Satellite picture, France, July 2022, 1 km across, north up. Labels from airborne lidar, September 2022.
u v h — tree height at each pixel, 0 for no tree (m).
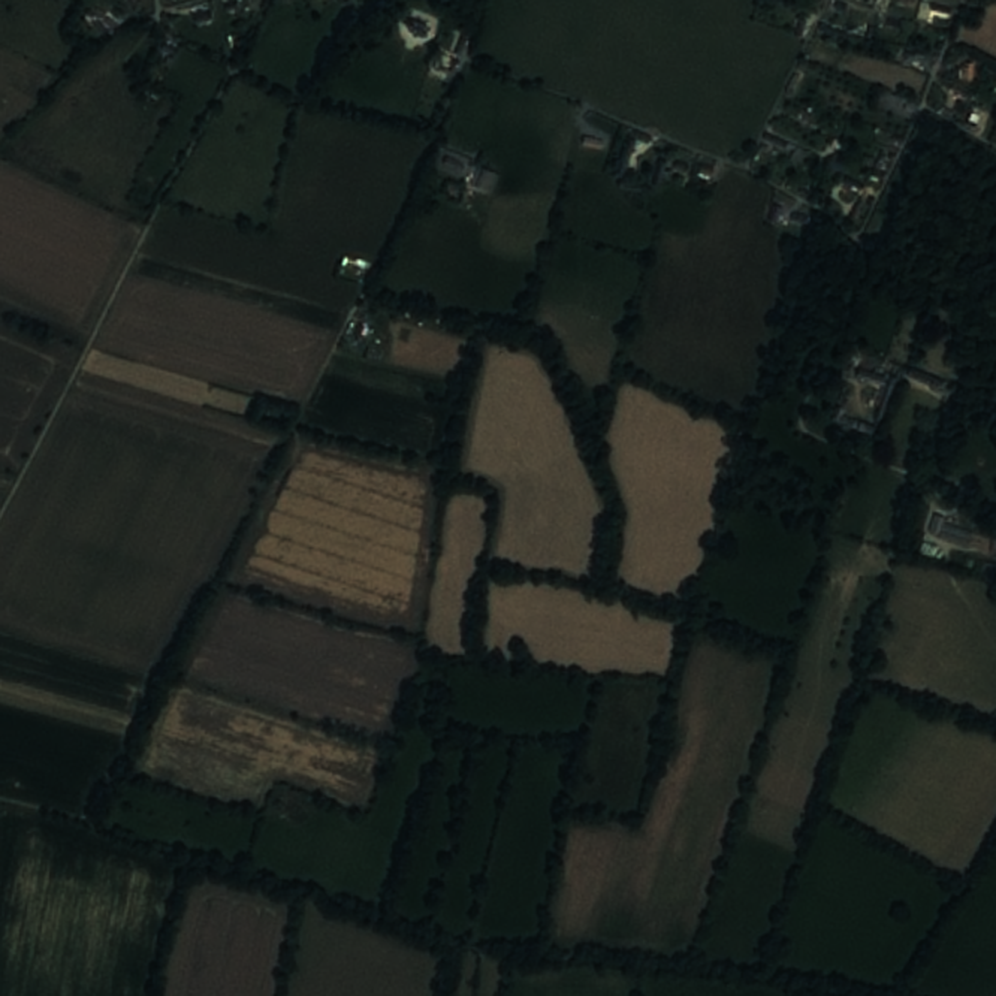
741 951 0
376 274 17
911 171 24
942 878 15
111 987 0
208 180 0
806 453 0
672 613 16
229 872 17
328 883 0
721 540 17
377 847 0
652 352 0
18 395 0
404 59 0
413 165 0
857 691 10
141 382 0
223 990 0
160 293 0
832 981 15
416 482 0
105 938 0
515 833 0
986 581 8
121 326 0
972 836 0
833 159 7
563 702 0
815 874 0
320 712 0
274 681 0
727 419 21
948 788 0
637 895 0
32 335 17
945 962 0
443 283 0
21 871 0
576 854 0
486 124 0
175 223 0
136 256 0
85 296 0
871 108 8
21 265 0
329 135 0
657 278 0
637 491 0
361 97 0
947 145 22
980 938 0
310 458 0
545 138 0
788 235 7
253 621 0
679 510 0
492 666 21
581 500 0
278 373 0
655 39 0
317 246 0
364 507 0
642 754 0
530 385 0
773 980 16
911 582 0
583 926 0
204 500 0
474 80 0
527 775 0
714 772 0
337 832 0
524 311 20
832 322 12
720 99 0
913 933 0
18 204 0
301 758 0
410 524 0
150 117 0
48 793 0
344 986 0
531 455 0
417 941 16
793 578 0
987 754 0
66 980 0
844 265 27
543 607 0
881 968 0
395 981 0
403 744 11
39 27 0
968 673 0
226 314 0
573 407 12
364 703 0
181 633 14
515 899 0
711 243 0
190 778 0
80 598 0
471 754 19
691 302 0
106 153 0
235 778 0
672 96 0
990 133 5
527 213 0
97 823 15
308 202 0
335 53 23
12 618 0
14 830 0
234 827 0
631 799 0
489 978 0
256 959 0
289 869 0
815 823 15
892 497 0
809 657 0
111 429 0
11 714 0
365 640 0
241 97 0
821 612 0
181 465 0
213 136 0
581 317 0
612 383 8
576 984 0
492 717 0
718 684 0
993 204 25
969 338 20
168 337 0
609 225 0
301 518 0
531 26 0
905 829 0
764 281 0
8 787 0
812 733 0
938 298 11
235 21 6
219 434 0
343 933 0
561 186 6
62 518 0
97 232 0
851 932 0
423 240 0
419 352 0
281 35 0
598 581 21
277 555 0
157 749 0
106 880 0
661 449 0
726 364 0
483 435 0
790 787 0
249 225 14
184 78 0
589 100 0
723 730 0
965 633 0
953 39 8
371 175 0
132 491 0
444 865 14
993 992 0
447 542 0
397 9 20
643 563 0
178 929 11
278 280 0
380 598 0
